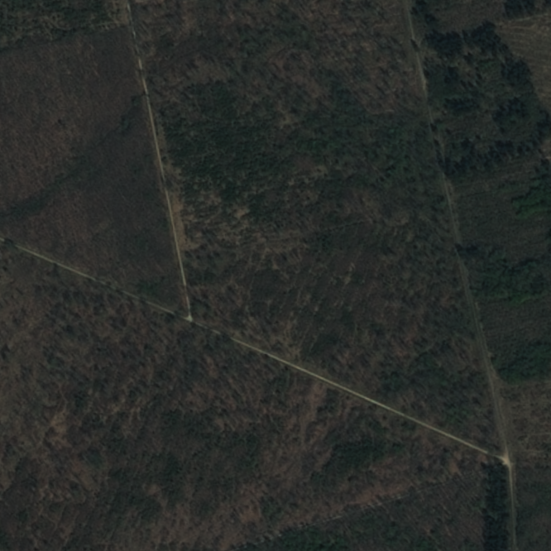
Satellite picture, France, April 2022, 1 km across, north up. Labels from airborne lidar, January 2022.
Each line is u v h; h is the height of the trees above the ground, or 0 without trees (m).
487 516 24
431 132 27
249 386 27
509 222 7
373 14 32
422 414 27
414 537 25
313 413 0
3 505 7
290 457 0
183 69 8
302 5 30
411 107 29
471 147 24
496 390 0
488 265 22
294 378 15
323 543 19
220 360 26
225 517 0
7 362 29
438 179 23
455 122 6
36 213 22
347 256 6
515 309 8
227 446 6
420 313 37
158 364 23
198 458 11
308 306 7
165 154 0
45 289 0
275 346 0
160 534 0
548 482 11
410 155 28
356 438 27
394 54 28
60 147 0
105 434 23
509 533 8
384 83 0
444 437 0
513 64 19
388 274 7
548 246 8
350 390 0
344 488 0
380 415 0
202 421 8
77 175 13
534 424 0
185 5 8
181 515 0
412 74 0
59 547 7
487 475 22
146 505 6
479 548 18
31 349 0
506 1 8
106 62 0
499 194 6
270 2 27
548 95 0
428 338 28
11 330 0
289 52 0
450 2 8
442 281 25
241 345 0
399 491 0
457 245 0
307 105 28
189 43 9
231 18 28
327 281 6
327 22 29
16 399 0
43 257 0
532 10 20
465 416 0
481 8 6
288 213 6
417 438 0
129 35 14
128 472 7
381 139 9
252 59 26
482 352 0
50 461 0
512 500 0
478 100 23
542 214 8
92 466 27
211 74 0
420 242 25
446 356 32
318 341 6
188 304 0
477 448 0
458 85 24
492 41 26
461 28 9
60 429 0
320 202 7
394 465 0
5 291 0
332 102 21
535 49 0
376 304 8
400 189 30
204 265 26
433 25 26
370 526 23
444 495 23
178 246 0
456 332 30
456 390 10
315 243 14
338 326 6
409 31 0
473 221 7
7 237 13
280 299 6
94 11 8
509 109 9
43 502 6
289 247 0
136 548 0
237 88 27
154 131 0
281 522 0
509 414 0
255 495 0
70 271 0
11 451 29
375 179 30
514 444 0
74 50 0
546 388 0
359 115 7
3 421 0
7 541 6
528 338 7
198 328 24
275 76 0
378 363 0
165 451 8
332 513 0
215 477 8
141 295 14
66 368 30
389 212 27
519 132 7
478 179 8
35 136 16
